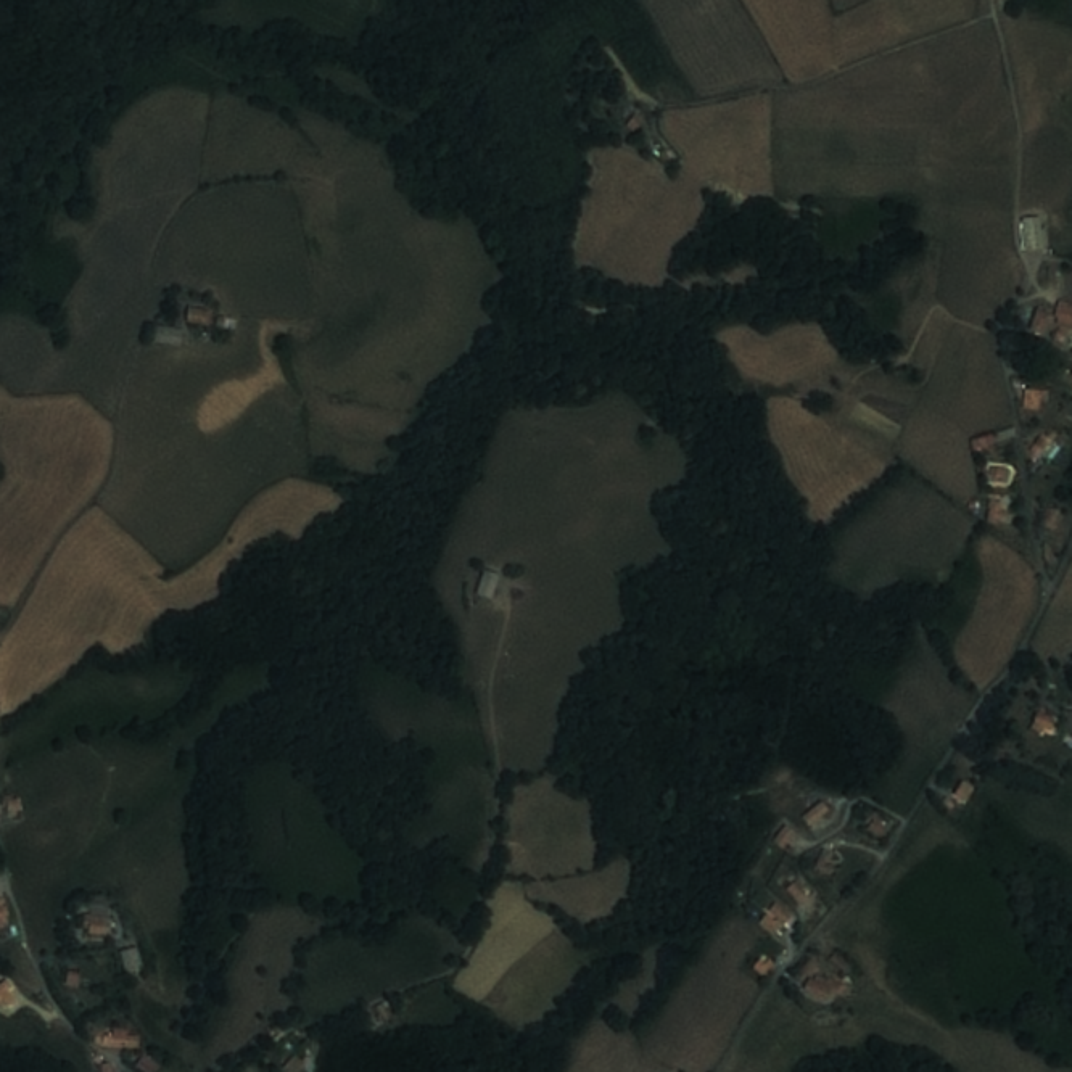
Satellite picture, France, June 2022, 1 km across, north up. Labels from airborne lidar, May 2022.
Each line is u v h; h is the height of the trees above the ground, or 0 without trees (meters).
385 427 0
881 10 0
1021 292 8
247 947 0
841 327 11
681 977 14
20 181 28
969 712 0
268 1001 0
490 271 0
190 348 0
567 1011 26
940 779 12
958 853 0
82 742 8
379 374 0
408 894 20
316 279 0
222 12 0
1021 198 0
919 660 0
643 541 0
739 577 24
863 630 24
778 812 0
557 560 0
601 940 20
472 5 23
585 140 11
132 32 13
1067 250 0
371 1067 7
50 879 0
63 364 0
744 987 0
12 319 0
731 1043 0
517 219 9
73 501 0
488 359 30
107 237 0
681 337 26
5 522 0
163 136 0
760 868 0
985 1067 0
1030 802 0
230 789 14
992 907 0
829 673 19
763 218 17
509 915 0
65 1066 14
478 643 0
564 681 0
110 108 7
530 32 12
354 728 13
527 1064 22
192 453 0
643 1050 0
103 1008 6
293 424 0
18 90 15
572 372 21
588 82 10
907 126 0
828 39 0
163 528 0
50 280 0
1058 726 6
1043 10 0
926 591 15
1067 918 9
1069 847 0
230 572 8
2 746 0
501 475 0
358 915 19
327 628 26
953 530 0
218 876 17
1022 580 0
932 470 0
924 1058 12
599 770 22
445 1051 21
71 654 0
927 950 0
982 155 0
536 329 14
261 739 14
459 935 14
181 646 17
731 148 0
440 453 17
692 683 24
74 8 21
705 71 0
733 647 28
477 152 11
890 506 0
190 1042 15
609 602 0
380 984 0
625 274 0
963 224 0
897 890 0
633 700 25
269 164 0
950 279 0
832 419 0
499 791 11
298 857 0
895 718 9
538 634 0
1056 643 0
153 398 0
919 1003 0
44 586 0
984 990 0
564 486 0
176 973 0
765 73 0
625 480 0
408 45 15
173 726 15
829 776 7
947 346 0
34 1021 0
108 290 0
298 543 8
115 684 0
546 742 0
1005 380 0
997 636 0
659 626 21
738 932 0
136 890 0
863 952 0
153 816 0
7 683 0
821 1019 0
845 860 0
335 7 0
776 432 0
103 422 0
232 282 0
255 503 0
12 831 0
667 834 21
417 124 9
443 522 11
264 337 0
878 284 17
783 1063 0
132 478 0
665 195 0
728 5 0
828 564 17
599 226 0
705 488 25
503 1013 0
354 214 0
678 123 0
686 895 20
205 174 0
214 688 19
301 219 0
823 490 0
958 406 0
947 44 0
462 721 0
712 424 18
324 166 0
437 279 0
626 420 0
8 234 27
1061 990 8
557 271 17
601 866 11
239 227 0
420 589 13
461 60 23
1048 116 0
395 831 14
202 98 0
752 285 12
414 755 12
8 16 19
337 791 22
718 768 17
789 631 14
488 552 0
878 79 0
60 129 22
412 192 6
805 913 0
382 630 17
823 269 14
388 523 14
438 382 10
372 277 0
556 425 0
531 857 0
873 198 0
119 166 0
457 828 0
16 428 0
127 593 0
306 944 12
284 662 21
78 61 23
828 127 0
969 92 0
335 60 12
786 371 0
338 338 0
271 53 10
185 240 0
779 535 18
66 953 11
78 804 0
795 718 8
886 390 0
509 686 0
